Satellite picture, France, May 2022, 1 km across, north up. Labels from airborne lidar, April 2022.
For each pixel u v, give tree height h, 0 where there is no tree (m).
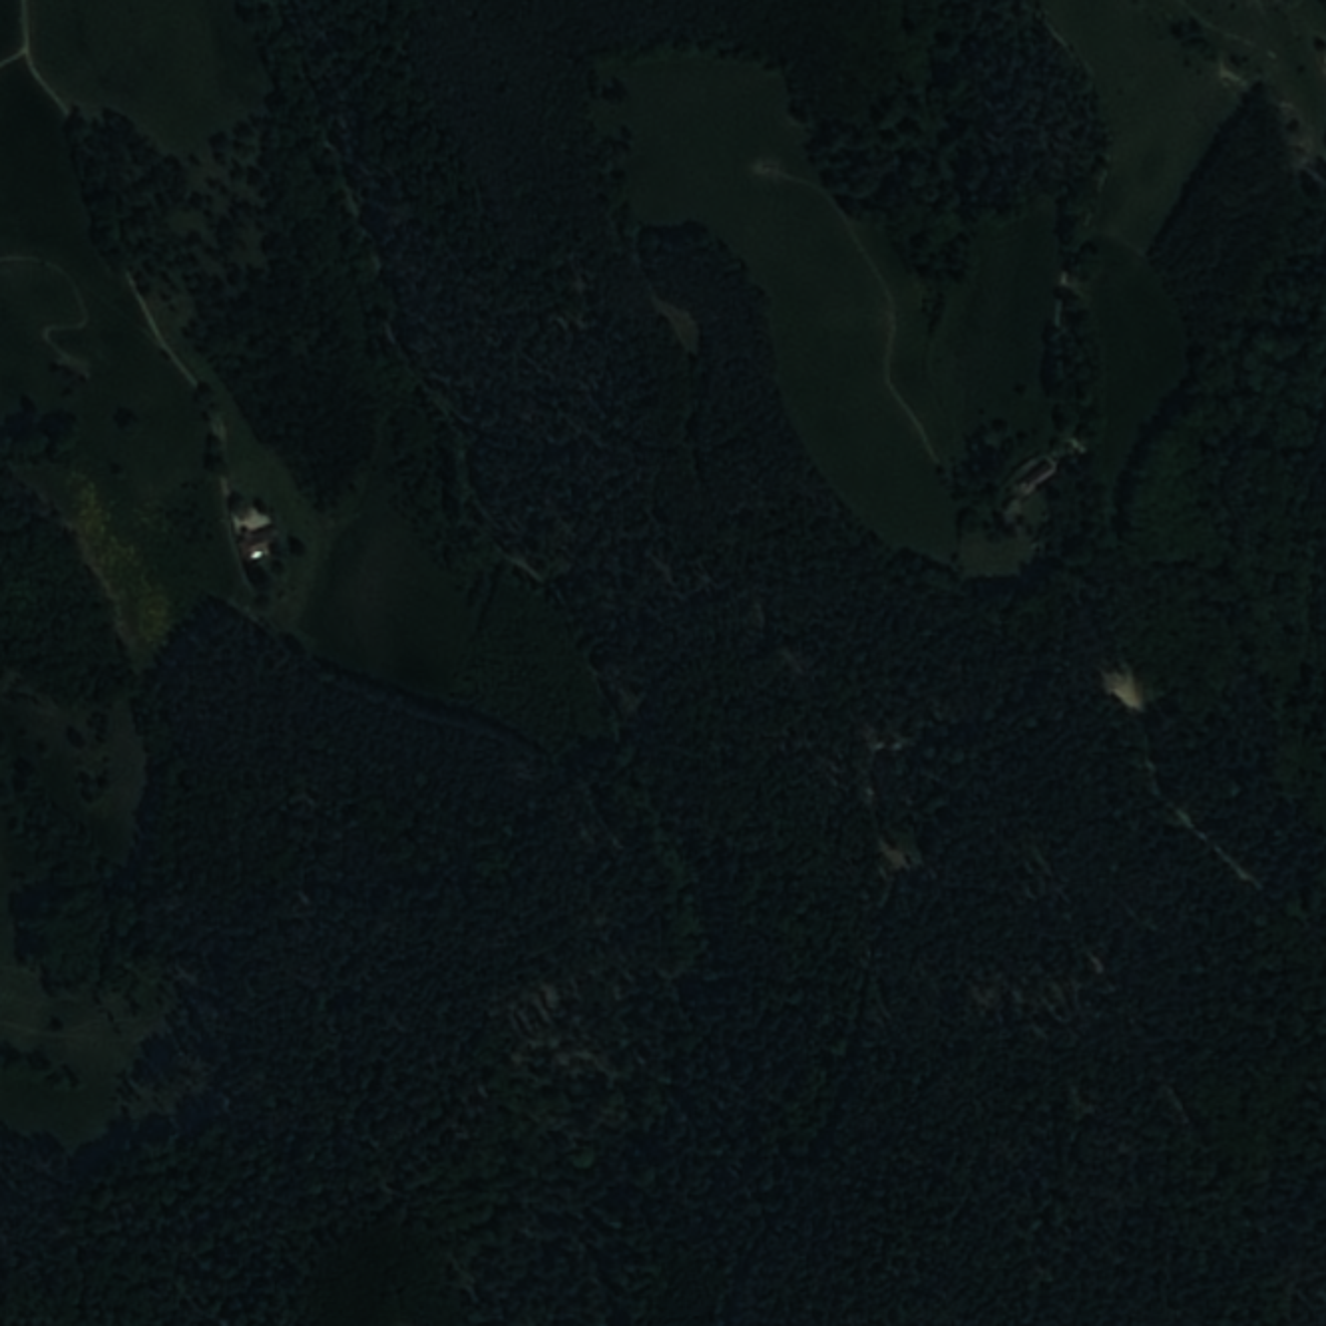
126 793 0
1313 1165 22
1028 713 30
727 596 23
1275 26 0
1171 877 26
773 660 18
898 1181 24
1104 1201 25
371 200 26
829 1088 10
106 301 0
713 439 24
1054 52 25
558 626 17
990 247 0
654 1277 13
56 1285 25
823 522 20
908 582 18
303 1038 29
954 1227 19
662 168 0
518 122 15
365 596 0
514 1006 33
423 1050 32
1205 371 23
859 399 0
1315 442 31
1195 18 0
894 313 0
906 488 0
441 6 16
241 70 0
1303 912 33
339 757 24
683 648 23
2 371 0
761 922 27
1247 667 30
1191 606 22
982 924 24
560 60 16
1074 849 26
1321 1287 32
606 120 0
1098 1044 26
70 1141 0
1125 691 0
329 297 14
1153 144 0
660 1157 43
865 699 20
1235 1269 29
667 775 24
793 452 20
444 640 0
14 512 19
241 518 7
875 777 18
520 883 30
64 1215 22
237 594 0
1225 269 13
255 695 33
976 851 24
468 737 22
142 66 0
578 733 7
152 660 0
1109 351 0
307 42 15
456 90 15
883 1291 22
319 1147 30
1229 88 0
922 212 34
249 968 33
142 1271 25
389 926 34
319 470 12
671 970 36
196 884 22
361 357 15
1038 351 0
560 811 30
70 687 21
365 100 25
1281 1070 29
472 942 31
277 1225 31
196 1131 31
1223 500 33
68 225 0
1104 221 0
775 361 17
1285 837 30
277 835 19
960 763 26
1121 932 27
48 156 0
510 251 13
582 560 24
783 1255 27
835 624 18
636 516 26
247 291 14
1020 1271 27
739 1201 36
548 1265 42
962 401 0
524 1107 31
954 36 12
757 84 0
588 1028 33
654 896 33
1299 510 29
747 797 18
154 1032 0
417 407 9
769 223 0
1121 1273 30
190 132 0
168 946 24
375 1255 13
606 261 15
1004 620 25
